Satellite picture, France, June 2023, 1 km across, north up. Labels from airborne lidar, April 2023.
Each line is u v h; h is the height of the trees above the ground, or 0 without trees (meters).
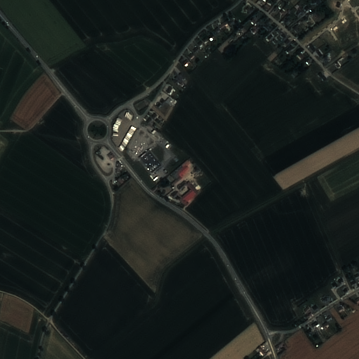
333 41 0
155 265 0
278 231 0
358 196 0
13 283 0
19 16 0
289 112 0
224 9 0
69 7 0
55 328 0
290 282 0
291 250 0
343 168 0
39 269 0
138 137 0
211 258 0
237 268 0
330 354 0
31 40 0
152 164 0
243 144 0
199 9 0
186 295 0
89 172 0
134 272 0
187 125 0
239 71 0
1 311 0
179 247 0
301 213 0
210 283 0
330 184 0
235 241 0
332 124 0
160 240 0
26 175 0
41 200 0
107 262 0
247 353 0
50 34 0
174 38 0
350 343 0
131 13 0
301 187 0
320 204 0
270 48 0
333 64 0
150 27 0
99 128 0
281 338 0
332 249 0
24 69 0
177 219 0
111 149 0
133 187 0
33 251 0
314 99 0
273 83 0
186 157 0
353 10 0
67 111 0
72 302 0
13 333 0
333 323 0
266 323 0
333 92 0
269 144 0
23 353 0
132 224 0
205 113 0
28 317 0
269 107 0
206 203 0
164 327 0
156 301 0
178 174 0
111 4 0
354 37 0
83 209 0
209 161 0
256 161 0
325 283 0
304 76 0
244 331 0
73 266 0
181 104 0
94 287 0
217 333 0
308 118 0
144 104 0
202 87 0
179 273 0
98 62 0
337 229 0
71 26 0
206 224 0
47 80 0
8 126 0
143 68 0
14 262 0
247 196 0
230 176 0
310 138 0
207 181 0
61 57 0
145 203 0
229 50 14
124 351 0
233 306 0
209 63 0
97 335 0
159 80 0
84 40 0
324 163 0
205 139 0
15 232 0
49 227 0
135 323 0
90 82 0
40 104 0
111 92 0
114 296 0
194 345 0
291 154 0
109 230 0
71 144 0
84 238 0
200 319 0
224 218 0
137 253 0
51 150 0
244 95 0
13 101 0
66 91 0
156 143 0
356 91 0
